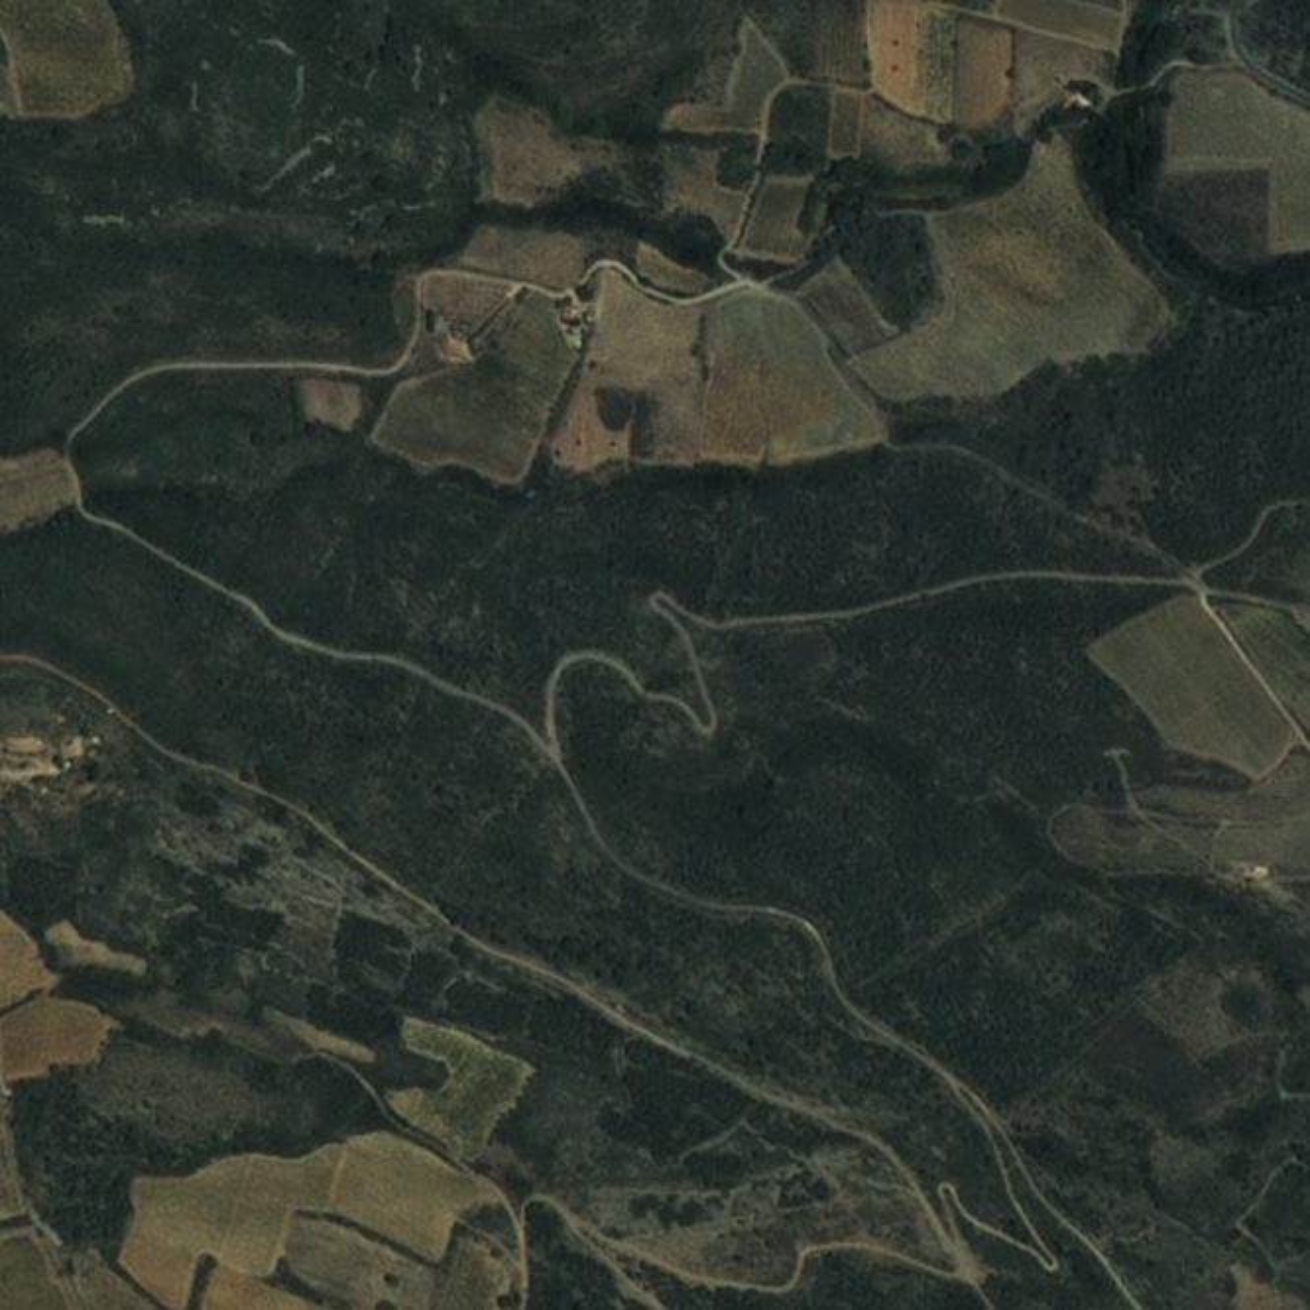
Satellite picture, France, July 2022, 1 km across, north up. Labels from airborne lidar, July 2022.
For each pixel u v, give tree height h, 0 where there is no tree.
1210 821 0
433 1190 0
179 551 7
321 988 6
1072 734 0
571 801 0
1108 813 0
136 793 0
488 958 0
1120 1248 7
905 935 6
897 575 6
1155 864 0
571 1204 0
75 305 0
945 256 0
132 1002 0
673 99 10
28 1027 0
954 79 0
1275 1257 0
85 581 0
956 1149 0
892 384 0
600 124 11
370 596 0
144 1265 0
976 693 6
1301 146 0
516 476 0
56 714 0
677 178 0
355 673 0
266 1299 0
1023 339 0
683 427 0
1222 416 6
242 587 6
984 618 5
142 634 0
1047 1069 5
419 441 0
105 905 0
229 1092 0
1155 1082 0
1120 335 0
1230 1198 0
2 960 0
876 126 0
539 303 0
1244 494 6
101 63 0
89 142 0
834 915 7
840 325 0
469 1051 0
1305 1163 12
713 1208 0
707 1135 7
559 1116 0
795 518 6
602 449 0
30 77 0
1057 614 7
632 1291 0
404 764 6
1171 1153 0
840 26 0
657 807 8
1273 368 9
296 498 0
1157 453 6
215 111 0
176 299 0
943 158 0
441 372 0
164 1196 0
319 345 0
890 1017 6
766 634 0
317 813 6
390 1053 0
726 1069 0
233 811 0
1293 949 0
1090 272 0
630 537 6
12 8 0
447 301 0
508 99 0
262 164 0
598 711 6
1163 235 11
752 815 11
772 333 0
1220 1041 0
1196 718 0
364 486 0
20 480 0
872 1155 0
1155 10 8
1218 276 8
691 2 0
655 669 0
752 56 0
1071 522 8
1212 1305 0
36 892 8
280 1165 0
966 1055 7
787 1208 7
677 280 0
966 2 0
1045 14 0
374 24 0
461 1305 0
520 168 0
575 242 0
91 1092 0
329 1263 0
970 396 0
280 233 0
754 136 0
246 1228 0
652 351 0
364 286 11
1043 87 0
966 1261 0
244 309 0
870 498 6
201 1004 7
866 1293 6
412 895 0
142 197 0
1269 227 0
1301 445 7
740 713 0
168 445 0
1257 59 0
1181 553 6
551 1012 8
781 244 0
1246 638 0
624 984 7
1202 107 0
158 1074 0
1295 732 0
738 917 0
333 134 0
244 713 6
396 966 8
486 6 0
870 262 7
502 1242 0
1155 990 0
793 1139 6
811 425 0
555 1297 8
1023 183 0
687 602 7
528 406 0
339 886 0
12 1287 0
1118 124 10
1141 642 0
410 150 0
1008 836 0
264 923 6
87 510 8
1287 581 0
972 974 5
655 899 6
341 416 0
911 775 8
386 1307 8
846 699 5
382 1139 0
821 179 7
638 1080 7
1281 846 0
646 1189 0
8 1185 0
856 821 7
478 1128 0
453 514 0
